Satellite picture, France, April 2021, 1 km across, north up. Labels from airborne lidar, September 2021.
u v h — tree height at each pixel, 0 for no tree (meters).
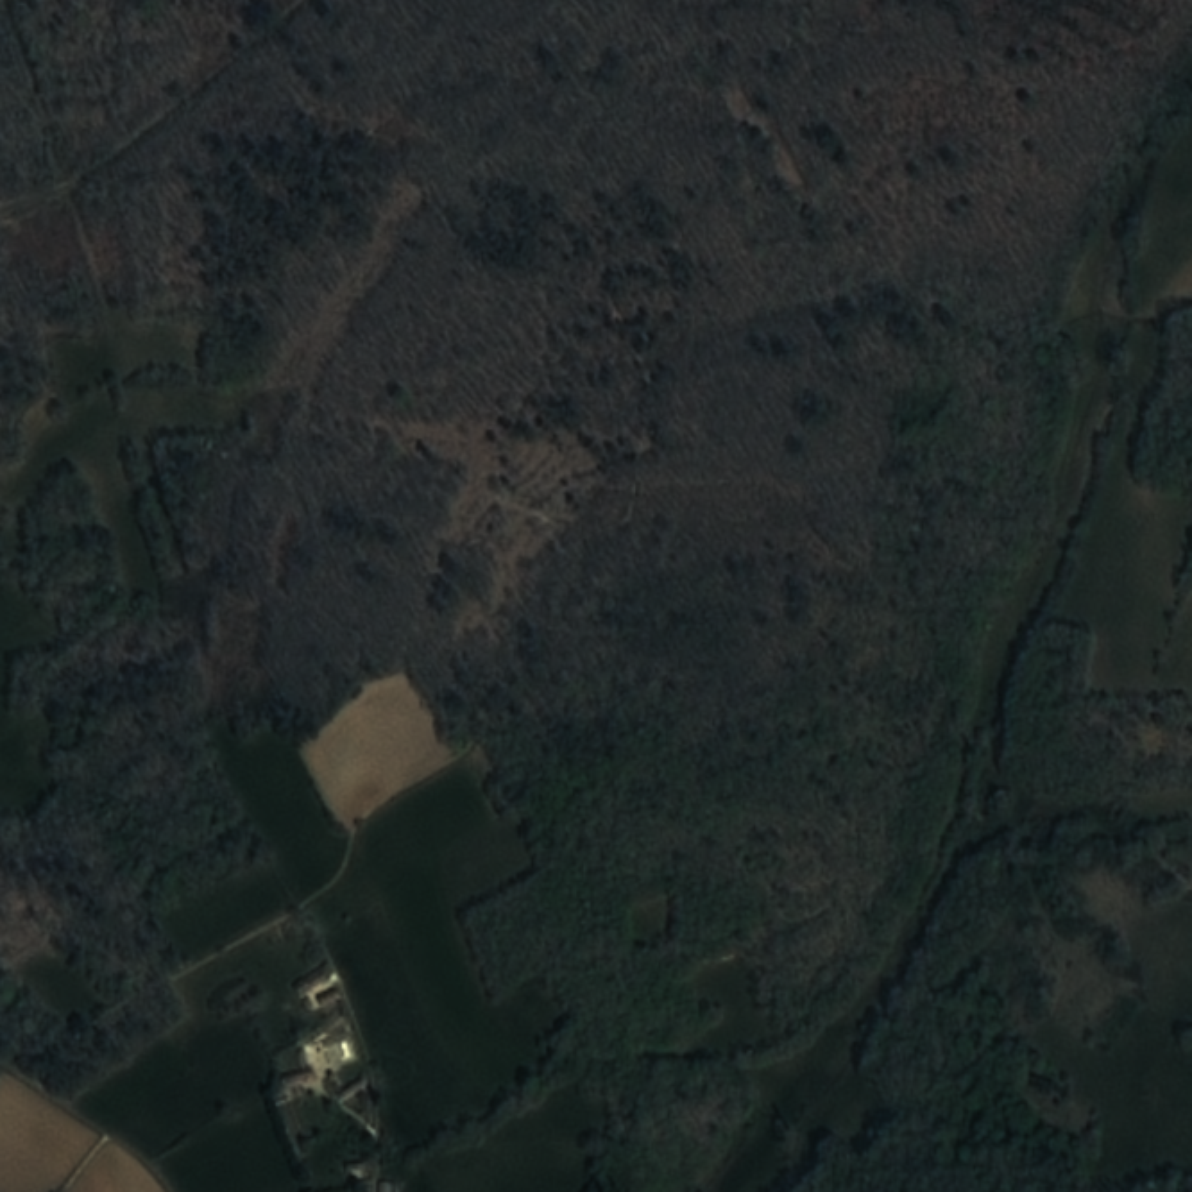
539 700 20
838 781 19
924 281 15
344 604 18
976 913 17
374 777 0
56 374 6
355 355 16
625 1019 24
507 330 14
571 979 20
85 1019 0
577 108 12
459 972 0
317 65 13
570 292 12
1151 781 20
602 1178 19
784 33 14
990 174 15
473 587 19
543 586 16
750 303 13
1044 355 24
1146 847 13
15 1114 0
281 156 25
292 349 16
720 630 23
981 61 10
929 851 24
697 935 23
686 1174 15
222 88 12
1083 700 13
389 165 15
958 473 20
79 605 18
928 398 12
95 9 18
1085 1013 0
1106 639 0
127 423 0
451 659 20
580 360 10
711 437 17
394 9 15
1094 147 21
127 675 17
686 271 13
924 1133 23
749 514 7
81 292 17
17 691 14
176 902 14
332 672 20
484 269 19
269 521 14
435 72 12
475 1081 0
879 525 20
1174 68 9
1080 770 20
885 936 19
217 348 21
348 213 26
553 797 22
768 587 20
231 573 16
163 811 18
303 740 24
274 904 0
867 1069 22
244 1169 0
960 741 12
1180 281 0
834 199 14
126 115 13
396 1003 0
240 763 0
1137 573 0
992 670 0
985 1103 15
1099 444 15
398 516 17
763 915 14
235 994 0
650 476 11
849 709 14
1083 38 7
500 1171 0
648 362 9
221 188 18
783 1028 16
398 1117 0
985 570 23
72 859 19
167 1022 21
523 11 12
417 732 0
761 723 19
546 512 18
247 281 28
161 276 17
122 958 17
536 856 17
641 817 24
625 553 17
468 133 14
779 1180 0
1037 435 20
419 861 0
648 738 22
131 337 0
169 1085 0
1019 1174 23
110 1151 0
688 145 12
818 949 13
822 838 13
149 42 16
